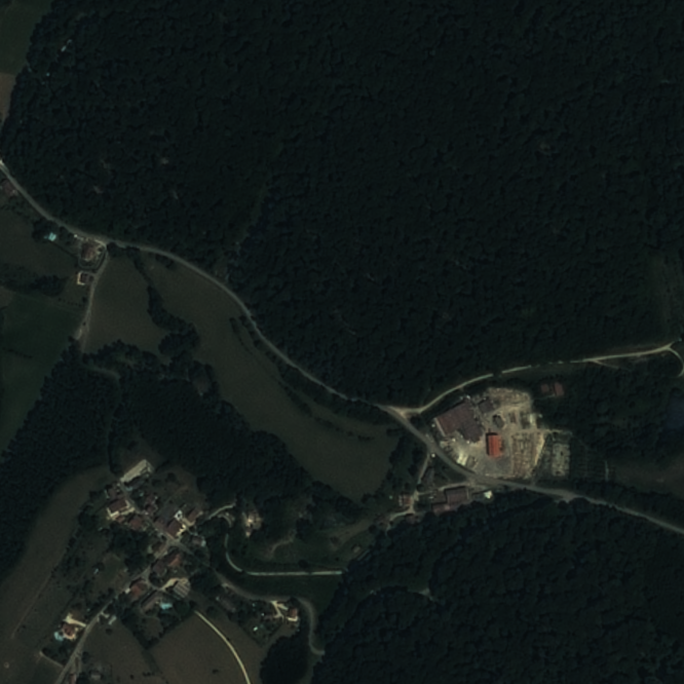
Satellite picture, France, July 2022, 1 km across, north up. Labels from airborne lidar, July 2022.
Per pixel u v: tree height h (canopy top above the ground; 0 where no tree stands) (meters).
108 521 0
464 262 30
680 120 29
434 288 28
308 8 29
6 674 0
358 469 0
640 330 27
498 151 32
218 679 0
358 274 25
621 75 27
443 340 30
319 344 26
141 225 28
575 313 21
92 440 17
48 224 13
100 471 0
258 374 0
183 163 28
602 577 27
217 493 26
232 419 33
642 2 26
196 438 19
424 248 25
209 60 27
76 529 0
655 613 9
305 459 0
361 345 24
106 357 23
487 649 29
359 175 29
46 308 0
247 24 28
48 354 0
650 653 20
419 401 22
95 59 29
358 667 28
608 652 26
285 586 0
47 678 0
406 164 27
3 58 0
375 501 16
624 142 33
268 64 27
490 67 30
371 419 22
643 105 28
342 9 27
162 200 27
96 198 31
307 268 24
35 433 18
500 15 30
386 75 30
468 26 30
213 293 0
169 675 0
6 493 17
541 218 25
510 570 25
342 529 0
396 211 27
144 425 16
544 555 27
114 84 29
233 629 0
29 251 0
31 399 0
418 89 28
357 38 29
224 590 20
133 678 8
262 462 18
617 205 30
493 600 33
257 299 28
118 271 0
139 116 28
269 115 27
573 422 12
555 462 0
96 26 27
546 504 30
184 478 0
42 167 27
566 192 24
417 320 27
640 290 29
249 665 0
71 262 0
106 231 12
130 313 0
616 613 30
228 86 30
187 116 31
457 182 29
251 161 33
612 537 29
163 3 25
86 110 29
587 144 30
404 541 30
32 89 22
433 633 33
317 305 28
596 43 25
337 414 17
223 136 27
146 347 0
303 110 27
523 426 0
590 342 25
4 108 0
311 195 25
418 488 7
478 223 28
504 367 18
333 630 21
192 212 32
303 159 27
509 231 26
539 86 31
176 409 21
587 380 7
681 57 29
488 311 28
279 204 28
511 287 29
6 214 0
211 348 0
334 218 27
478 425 0
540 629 27
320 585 0
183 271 0
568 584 30
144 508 6
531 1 30
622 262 28
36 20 0
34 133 28
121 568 0
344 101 27
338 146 30
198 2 25
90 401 20
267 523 27
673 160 27
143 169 30
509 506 21
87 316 0
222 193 29
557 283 27
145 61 27
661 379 8
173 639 0
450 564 28
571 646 27
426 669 31
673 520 8
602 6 26
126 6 30
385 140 29
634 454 18
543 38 31
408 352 29
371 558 7
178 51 28
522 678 25
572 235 27
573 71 33
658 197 9
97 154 29
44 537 0
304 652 19
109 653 0
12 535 18
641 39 24
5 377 0
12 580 0
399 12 29
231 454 16
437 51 27
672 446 21
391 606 31
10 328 0
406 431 9
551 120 29
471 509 18
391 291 27
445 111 29
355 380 27
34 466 17
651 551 21
